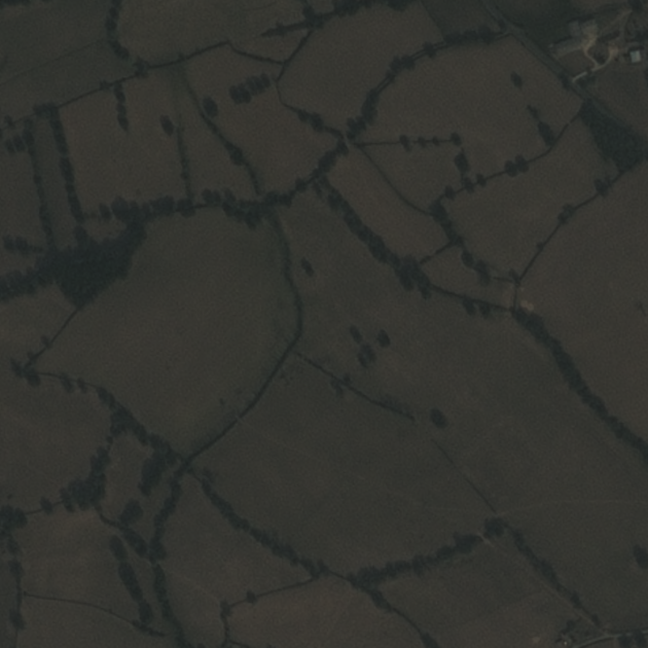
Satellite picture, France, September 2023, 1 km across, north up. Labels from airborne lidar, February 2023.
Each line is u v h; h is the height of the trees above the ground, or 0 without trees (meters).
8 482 0
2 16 0
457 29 0
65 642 0
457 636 0
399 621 0
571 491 0
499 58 0
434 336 0
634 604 0
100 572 0
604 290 0
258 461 0
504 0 0
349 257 0
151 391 0
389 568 12
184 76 0
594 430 0
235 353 0
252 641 0
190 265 0
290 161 0
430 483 0
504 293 0
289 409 0
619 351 0
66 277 18
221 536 0
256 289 0
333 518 0
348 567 0
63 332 0
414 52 0
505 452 0
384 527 0
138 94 0
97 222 0
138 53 0
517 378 0
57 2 0
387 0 8
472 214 0
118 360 0
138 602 0
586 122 12
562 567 0
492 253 0
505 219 0
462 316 0
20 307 0
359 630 0
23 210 0
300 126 0
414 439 0
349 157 0
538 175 0
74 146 0
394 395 0
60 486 0
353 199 0
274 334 0
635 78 0
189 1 0
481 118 0
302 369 0
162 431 0
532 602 0
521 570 0
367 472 0
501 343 0
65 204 0
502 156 0
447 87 0
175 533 0
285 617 0
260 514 0
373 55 0
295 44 0
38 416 0
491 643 0
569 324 0
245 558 0
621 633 0
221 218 0
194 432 0
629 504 0
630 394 0
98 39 0
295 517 0
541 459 0
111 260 22
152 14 0
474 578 0
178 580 0
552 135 16
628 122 0
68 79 0
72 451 0
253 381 0
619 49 0
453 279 0
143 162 0
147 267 0
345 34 0
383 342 12
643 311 19
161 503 0
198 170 0
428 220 0
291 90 0
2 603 0
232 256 0
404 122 0
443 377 0
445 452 0
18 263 0
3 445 0
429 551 0
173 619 14
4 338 0
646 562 17
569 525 0
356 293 0
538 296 0
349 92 0
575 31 0
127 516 14
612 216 0
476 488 0
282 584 0
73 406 0
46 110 11
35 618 0
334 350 0
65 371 0
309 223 0
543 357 0
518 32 0
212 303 0
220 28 0
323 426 0
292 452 0
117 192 0
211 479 16
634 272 0
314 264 0
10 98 0
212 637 0
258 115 0
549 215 0
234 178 0
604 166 0
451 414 0
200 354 0
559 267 0
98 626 0
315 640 0
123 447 0
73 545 0
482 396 0
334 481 0
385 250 10
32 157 7
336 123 0
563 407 0
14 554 17
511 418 0
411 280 18
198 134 0
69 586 0
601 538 0
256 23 0
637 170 0
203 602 0
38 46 0
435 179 0
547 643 0
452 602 0
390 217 0
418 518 0
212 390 0
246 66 0
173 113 0
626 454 0
